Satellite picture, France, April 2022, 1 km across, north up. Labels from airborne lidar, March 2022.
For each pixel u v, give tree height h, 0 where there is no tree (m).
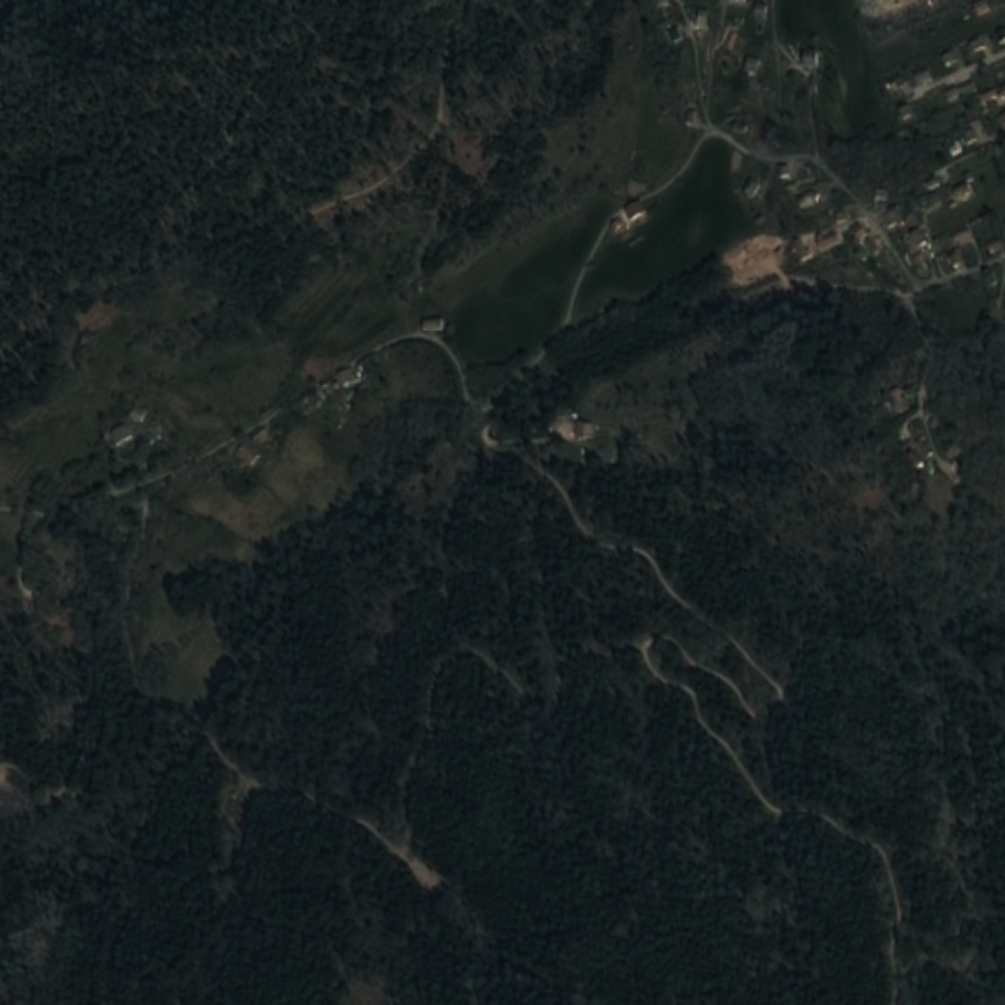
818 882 10
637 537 16
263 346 22
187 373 0
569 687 11
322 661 27
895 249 0
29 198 31
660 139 0
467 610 8
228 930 14
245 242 26
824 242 0
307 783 18
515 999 11
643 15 0
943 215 0
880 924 10
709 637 9
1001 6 0
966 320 0
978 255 0
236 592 26
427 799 12
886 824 17
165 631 0
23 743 25
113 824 24
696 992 10
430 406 13
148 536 6
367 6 21
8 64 12
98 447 6
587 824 18
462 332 0
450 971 13
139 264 24
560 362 21
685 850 23
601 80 14
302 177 34
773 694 10
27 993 21
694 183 0
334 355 0
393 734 14
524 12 28
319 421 0
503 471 14
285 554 19
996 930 17
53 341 22
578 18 32
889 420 6
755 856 19
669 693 16
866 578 10
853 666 13
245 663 36
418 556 12
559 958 16
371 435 15
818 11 0
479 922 17
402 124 28
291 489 0
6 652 28
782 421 18
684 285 15
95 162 33
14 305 29
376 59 33
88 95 28
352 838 17
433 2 22
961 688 17
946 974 15
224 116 31
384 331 0
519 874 11
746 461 31
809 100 17
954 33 0
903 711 14
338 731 16
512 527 14
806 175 0
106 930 14
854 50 0
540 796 17
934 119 7
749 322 14
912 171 8
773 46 0
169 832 16
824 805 18
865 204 0
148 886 17
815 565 7
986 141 0
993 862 19
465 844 12
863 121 0
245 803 0
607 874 16
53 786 12
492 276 0
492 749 12
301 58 29
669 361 0
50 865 7
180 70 6
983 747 22
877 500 0
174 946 14
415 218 18
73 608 11
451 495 9
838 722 10
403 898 14
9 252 36
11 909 9
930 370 17
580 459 0
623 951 16
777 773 14
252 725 10
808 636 11
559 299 0
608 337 16
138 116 25
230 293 24
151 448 21
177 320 0
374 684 16
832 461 17
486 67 31
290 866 20
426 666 8
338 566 24
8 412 29
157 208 36
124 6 29
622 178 0
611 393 0
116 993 11
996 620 24
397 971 20
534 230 20
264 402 0
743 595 10
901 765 10
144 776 14
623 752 18
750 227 0
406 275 19
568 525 18
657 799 14
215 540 0
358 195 0
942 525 24
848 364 20
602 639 18
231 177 35
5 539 0
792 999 21
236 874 8
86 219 33
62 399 18
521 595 20
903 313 6
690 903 11
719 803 18
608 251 0
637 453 14
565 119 14
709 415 16
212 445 0
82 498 10
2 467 0
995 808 12
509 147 16
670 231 0
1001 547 14
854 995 14
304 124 34
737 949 14
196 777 12
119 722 21
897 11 0
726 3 0
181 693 0
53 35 13
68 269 31
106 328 0
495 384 12
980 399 11
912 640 14
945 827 18
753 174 0
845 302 8
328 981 15
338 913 19
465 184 14
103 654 20
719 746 11
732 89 0
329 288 0
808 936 9
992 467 10
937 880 10
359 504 13
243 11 28
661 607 6
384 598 13
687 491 9
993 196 0
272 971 17
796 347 33
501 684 13
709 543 12
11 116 26
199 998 15
